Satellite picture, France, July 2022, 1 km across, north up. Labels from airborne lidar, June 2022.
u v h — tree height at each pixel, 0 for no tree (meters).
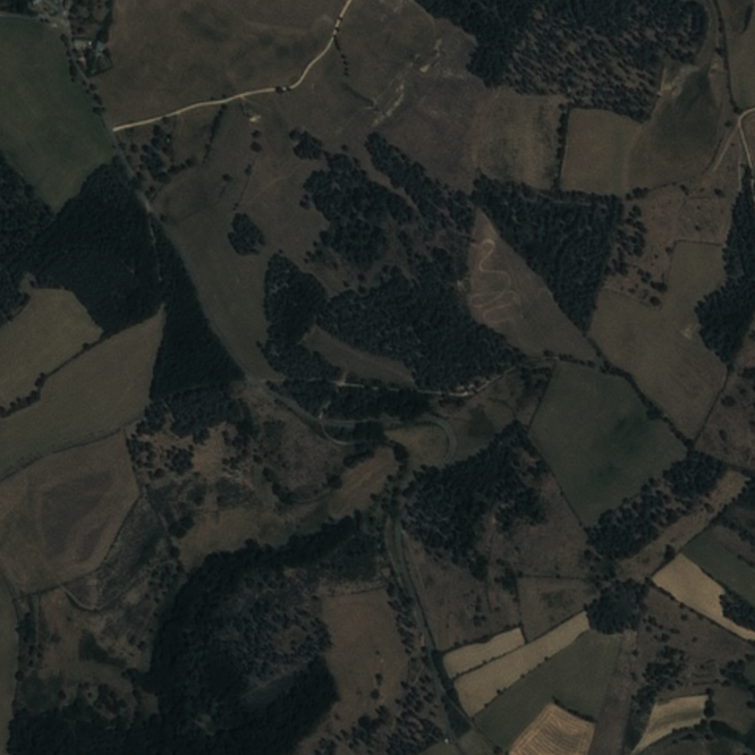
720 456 0
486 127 0
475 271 0
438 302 22
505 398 0
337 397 15
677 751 0
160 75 0
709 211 0
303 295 17
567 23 18
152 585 11
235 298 0
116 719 7
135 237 12
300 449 0
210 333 12
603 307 0
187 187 0
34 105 0
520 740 0
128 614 0
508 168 0
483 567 12
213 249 0
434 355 17
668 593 10
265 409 0
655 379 0
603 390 0
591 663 0
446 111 0
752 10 0
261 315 0
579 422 0
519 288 0
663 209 0
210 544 0
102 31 7
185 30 0
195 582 19
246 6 0
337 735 0
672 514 17
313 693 21
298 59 0
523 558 0
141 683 20
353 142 0
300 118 0
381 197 20
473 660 0
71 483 0
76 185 0
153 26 0
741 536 7
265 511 0
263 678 14
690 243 0
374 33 0
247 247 16
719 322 14
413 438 0
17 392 0
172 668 20
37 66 0
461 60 0
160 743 17
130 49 0
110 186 13
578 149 0
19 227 18
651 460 0
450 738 0
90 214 12
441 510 22
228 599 7
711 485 15
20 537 0
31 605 0
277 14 0
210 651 14
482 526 5
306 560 18
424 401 10
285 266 14
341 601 0
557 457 0
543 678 0
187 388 19
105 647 0
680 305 0
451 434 0
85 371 0
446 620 0
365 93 0
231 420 13
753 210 15
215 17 0
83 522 0
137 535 0
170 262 13
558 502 0
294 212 0
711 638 0
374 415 13
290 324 18
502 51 18
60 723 14
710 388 0
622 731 0
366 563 0
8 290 17
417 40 0
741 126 0
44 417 0
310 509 0
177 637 20
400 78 0
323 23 0
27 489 0
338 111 0
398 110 0
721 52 19
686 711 0
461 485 18
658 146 0
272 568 11
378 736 14
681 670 7
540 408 0
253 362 0
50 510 0
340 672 0
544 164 0
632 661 0
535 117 0
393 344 17
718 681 6
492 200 12
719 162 0
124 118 0
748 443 0
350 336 16
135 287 12
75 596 0
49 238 11
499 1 8
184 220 0
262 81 0
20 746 13
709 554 0
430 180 11
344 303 16
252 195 0
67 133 0
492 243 0
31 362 0
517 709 0
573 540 0
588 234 16
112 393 0
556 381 0
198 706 10
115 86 0
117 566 0
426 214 16
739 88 0
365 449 14
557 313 0
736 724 0
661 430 0
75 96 0
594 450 0
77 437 0
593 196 8
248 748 17
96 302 12
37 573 0
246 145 0
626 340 0
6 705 0
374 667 0
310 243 0
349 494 0
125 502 0
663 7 18
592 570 8
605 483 0
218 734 6
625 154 0
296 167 0
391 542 0
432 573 0
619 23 21
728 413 0
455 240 0
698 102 0
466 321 11
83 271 12
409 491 9
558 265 14
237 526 0
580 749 0
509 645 0
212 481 0
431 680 17
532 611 0
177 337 11
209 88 0
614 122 0
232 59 0
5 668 0
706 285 0
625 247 15
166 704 19
